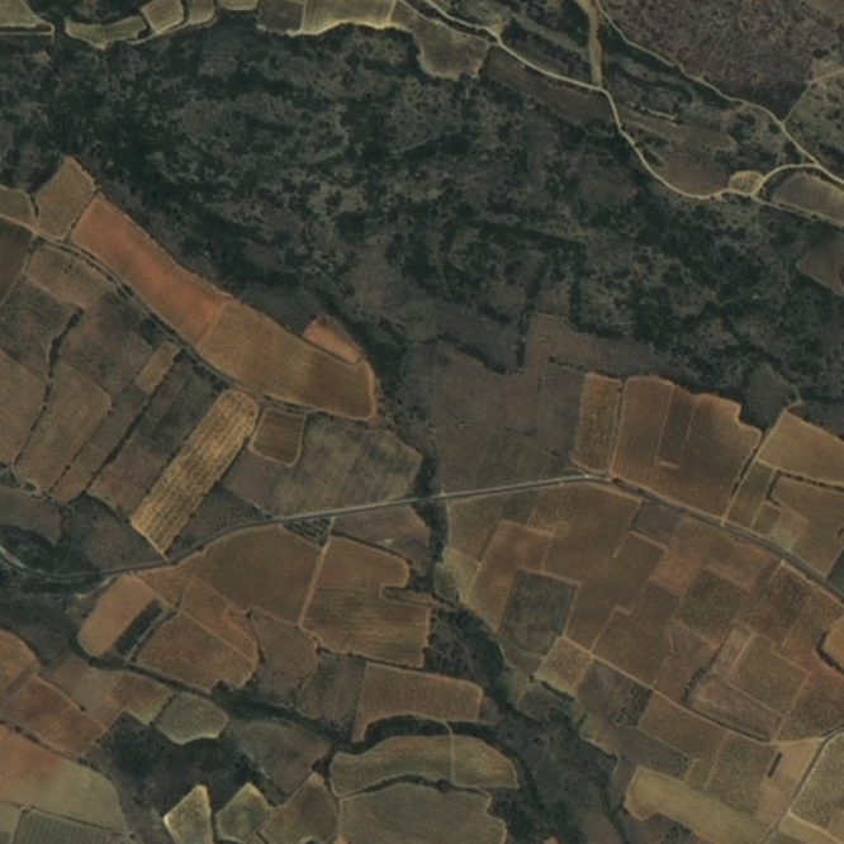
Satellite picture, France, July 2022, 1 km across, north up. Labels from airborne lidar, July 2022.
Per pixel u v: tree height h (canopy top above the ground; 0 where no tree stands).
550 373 0
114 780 0
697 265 0
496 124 0
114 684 0
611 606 0
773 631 0
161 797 0
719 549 0
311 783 0
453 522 0
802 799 0
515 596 0
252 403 0
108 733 0
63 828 0
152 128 0
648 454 0
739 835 0
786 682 0
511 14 0
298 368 0
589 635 0
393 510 0
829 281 0
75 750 0
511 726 0
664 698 0
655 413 0
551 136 0
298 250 0
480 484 0
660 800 0
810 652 0
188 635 0
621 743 0
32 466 0
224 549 0
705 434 0
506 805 8
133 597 0
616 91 0
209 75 0
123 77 0
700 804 0
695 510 0
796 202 0
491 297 0
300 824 0
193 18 0
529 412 0
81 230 0
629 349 0
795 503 0
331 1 0
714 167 0
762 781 0
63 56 7
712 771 0
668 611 0
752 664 0
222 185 0
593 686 0
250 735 0
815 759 0
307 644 0
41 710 0
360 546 0
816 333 0
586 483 0
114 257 0
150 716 0
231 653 0
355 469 0
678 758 0
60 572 0
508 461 0
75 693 0
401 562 0
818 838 0
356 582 0
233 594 0
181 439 0
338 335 0
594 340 0
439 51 0
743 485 0
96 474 5
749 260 8
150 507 0
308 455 0
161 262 0
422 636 0
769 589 0
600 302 0
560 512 0
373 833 0
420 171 0
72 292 0
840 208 0
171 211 11
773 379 0
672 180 0
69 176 0
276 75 0
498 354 0
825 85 0
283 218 0
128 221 0
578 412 0
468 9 0
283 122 0
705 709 0
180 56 0
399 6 0
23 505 0
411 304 0
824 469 0
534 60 0
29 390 0
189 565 0
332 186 0
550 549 0
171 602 0
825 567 0
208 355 0
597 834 0
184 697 0
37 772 0
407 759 0
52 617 0
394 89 0
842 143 0
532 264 0
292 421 0
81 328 0
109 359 0
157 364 0
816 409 0
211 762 0
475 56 0
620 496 0
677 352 7
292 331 0
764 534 0
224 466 0
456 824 0
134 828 0
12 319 0
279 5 0
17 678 0
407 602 0
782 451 0
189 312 0
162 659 0
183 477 0
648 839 0
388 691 0
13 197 0
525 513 0
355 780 0
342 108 0
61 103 0
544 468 0
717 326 0
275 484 0
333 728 6
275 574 0
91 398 0
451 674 7
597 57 0
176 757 0
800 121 0
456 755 0
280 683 0
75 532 0
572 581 0
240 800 0
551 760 0
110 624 0
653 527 0
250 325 0
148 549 0
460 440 0
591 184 0
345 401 0
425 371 0
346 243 0
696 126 0
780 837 0
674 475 0
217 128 0
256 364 0
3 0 0
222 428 0
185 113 0
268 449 0
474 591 0
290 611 0
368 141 0
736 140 0
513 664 0
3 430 0
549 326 0
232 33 0
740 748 0
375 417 0
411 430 0
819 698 0
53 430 0
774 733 0
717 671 0
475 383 0
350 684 0
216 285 0
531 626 0
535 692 0
